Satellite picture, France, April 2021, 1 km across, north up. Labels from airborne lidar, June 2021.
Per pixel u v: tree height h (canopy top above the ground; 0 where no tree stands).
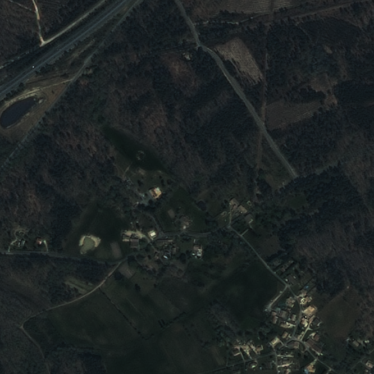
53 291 20
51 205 17
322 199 19
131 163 0
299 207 0
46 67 8
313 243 16
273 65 17
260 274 0
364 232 16
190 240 6
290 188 16
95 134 11
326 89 0
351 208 18
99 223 0
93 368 18
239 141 17
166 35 17
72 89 16
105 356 0
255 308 0
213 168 15
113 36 16
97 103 6
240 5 0
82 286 0
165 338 0
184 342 0
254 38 12
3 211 13
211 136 16
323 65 20
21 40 16
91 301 0
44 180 21
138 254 0
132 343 0
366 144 10
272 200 18
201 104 14
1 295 15
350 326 0
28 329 7
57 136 19
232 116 21
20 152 17
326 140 12
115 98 14
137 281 0
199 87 8
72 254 0
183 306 0
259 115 9
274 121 0
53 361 12
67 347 21
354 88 15
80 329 0
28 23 12
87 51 7
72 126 5
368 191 15
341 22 8
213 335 0
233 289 0
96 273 14
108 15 0
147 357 0
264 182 19
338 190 19
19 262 17
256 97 10
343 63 14
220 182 20
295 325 0
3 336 21
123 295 0
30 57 11
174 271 15
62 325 0
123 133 0
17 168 7
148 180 0
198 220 0
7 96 9
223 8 0
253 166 17
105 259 0
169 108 22
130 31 12
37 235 8
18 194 8
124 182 14
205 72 23
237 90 0
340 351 0
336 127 13
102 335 0
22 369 15
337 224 14
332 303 0
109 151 23
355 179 16
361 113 7
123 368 0
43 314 13
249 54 0
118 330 0
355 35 9
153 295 0
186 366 0
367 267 9
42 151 18
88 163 10
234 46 0
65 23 11
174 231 0
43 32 11
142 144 0
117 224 0
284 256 11
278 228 15
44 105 0
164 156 18
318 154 14
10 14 7
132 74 15
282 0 0
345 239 13
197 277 0
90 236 0
